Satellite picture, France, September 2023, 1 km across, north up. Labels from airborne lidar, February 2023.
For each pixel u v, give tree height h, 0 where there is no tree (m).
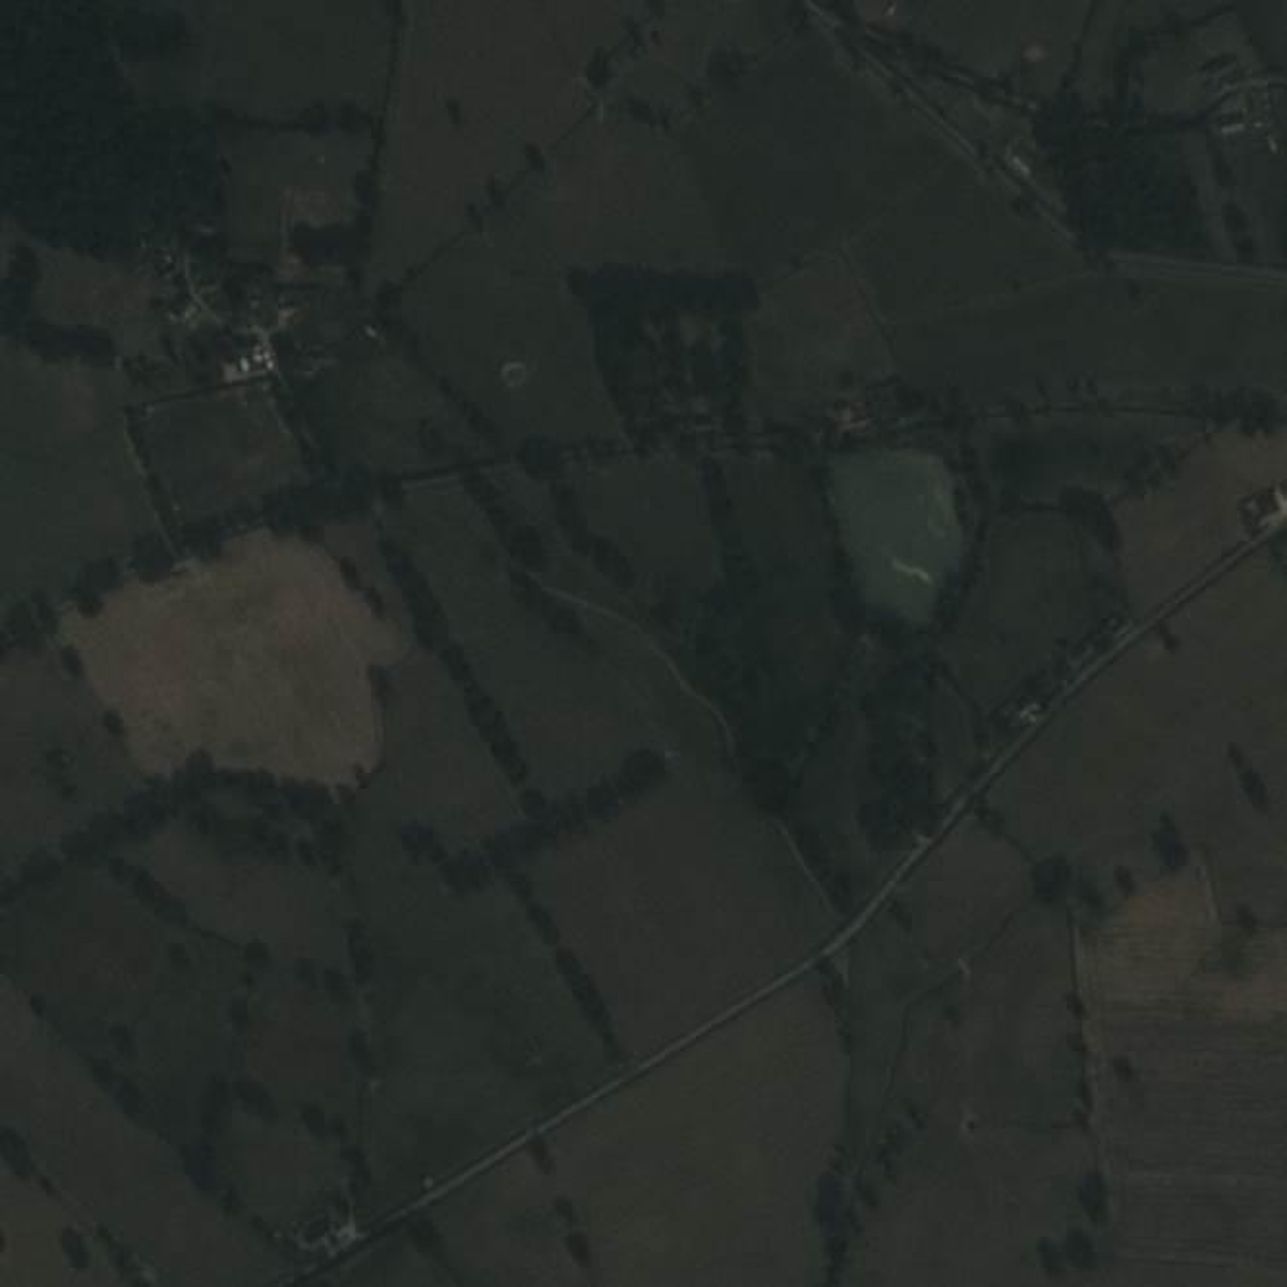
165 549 19
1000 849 0
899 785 15
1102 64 0
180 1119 0
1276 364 0
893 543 0
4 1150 18
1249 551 0
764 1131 0
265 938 0
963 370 0
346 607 0
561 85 0
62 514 0
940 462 0
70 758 0
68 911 0
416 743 0
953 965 0
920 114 0
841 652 0
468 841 0
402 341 16
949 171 0
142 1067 0
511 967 0
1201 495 0
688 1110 0
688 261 0
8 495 0
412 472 0
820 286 0
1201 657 0
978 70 0
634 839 0
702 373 24
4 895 16
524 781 10
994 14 0
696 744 0
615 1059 14
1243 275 0
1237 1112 0
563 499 16
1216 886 0
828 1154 0
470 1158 0
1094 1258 14
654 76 0
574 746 0
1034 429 0
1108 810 0
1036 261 0
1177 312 0
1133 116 12
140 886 17
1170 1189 0
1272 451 0
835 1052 0
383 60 0
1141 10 0
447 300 0
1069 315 0
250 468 0
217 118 20
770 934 0
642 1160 0
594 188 0
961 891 0
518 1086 0
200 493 0
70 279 0
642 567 0
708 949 0
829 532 12
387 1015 0
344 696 0
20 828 0
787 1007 0
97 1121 0
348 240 17
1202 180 0
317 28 0
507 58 0
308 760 0
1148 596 0
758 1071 0
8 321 19
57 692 0
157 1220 0
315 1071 0
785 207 0
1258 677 0
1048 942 0
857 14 19
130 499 0
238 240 0
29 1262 0
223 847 0
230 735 0
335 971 0
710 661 19
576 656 0
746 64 12
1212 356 0
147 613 0
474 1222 0
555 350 0
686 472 0
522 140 0
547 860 0
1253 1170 0
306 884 0
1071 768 0
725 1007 0
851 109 0
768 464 0
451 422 0
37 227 12
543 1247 0
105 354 17
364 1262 0
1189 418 13
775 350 0
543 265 0
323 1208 0
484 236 0
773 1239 0
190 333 0
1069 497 7
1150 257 0
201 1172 23
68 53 14
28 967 0
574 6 0
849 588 12
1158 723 0
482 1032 0
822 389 0
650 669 0
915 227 0
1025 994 0
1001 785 0
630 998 0
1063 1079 0
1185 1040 0
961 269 0
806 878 0
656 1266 0
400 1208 0
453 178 0
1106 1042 0
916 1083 0
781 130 0
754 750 0
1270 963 0
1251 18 0
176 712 0
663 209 0
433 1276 0
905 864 0
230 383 0
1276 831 0
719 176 0
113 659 0
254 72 0
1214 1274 0
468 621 0
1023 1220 0
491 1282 0
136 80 0
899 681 13
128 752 0
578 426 0
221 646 0
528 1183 0
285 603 0
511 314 0
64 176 6
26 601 0
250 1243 0
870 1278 0
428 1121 0
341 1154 0
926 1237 0
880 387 0
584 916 0
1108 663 0
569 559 0
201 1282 0
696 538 0
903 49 14
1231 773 0
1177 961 0
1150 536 0
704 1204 0
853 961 0
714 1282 0
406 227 0
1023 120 0
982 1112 0
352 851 0
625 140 0
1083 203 13
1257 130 0
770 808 10
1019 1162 0
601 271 0
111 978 0
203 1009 0
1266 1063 0
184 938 0
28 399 0
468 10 0
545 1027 0
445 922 0
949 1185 0
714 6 0
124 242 15
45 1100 0
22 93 15
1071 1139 0
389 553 13
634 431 8
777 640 0
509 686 0
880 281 0
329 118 15
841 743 0
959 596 11
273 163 0
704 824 0
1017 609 0
